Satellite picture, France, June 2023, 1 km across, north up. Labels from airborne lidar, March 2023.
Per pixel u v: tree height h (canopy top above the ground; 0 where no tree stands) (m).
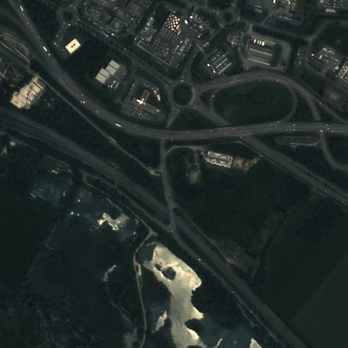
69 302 0
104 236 0
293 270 0
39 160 10
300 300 0
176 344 0
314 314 0
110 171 0
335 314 0
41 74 11
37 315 0
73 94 0
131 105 0
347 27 0
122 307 10
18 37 0
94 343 16
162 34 0
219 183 8
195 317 0
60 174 18
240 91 0
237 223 0
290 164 0
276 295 0
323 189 0
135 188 0
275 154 0
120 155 8
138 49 0
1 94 18
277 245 0
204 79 0
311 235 20
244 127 0
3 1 0
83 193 0
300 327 0
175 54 0
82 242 0
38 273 0
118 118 0
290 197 13
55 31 5
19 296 17
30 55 0
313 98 0
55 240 0
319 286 0
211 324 0
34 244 0
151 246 0
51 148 15
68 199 14
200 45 0
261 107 0
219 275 8
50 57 0
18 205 0
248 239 0
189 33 0
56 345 10
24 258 0
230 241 0
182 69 0
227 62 0
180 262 0
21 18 0
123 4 0
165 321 0
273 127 0
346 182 8
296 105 0
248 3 0
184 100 7
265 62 0
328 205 19
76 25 10
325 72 0
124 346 7
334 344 0
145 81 0
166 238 13
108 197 7
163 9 0
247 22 0
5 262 0
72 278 0
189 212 9
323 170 11
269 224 0
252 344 0
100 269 0
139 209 12
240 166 0
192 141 7
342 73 0
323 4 0
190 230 0
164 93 0
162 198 7
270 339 16
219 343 0
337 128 0
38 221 0
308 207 0
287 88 0
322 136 0
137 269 0
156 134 0
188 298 0
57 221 18
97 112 0
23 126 0
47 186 0
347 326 0
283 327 0
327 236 0
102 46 12
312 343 0
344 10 0
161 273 0
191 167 0
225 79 0
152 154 0
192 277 0
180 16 0
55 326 10
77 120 15
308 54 0
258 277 9
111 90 0
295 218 0
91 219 0
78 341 13
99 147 13
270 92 0
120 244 6
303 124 0
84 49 16
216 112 0
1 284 6
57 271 0
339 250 0
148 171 0
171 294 0
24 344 0
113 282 19
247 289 0
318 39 0
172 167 0
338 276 0
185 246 0
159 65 0
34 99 0
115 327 0
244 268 0
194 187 8
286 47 0
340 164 0
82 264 0
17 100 0
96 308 0
